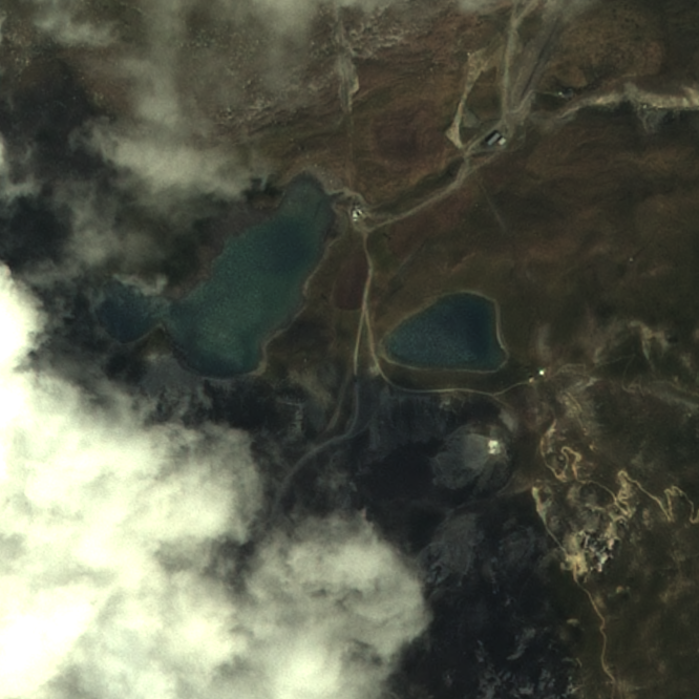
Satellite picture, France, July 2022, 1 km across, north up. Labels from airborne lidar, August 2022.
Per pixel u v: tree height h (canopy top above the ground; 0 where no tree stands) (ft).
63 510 0
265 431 0
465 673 0
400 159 0
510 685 0
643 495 0
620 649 0
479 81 0
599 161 0
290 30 0
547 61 0
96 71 0
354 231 0
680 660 0
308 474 0
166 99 0
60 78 0
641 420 0
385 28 0
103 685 0
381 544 0
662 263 0
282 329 0
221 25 0
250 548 0
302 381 0
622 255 0
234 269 0
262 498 0
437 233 0
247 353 0
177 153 0
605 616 0
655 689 0
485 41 0
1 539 0
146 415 0
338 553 0
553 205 0
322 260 0
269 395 0
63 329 0
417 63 0
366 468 0
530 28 0
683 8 0
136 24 0
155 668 0
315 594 0
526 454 0
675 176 0
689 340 0
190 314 0
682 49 0
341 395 0
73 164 0
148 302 0
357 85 0
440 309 0
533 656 0
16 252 0
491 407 0
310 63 0
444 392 0
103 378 0
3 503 0
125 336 0
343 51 0
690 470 0
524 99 0
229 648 0
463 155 0
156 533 0
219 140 0
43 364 28
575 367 0
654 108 0
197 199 0
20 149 0
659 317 0
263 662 0
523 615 0
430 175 0
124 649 0
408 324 0
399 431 0
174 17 0
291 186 0
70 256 0
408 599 0
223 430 0
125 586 0
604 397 0
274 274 0
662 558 0
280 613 0
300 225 0
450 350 0
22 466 0
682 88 0
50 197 0
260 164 0
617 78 0
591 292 0
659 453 0
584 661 0
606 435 0
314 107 0
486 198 0
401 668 0
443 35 0
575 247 0
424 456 0
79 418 0
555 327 0
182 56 0
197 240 0
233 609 0
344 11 0
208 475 0
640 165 0
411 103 0
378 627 0
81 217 0
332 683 0
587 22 0
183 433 0
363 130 0
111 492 0
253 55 0
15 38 0
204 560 0
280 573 0
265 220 0
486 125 0
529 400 0
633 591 0
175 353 0
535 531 0
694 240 0
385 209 0
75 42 0
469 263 0
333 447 0
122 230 0
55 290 0
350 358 0
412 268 0
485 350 0
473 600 0
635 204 0
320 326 0
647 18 0
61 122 0
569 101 0
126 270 0
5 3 0
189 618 0
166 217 0
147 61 0
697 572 0
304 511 0
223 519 0
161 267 0
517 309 0
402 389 0
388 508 0
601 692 0
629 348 0
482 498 0
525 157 0
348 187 0
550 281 0
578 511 0
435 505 0
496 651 0
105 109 0
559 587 0
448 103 0
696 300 0
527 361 0
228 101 0
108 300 0
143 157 0
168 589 0
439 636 0
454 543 0
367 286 0
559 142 0
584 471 0
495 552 0
